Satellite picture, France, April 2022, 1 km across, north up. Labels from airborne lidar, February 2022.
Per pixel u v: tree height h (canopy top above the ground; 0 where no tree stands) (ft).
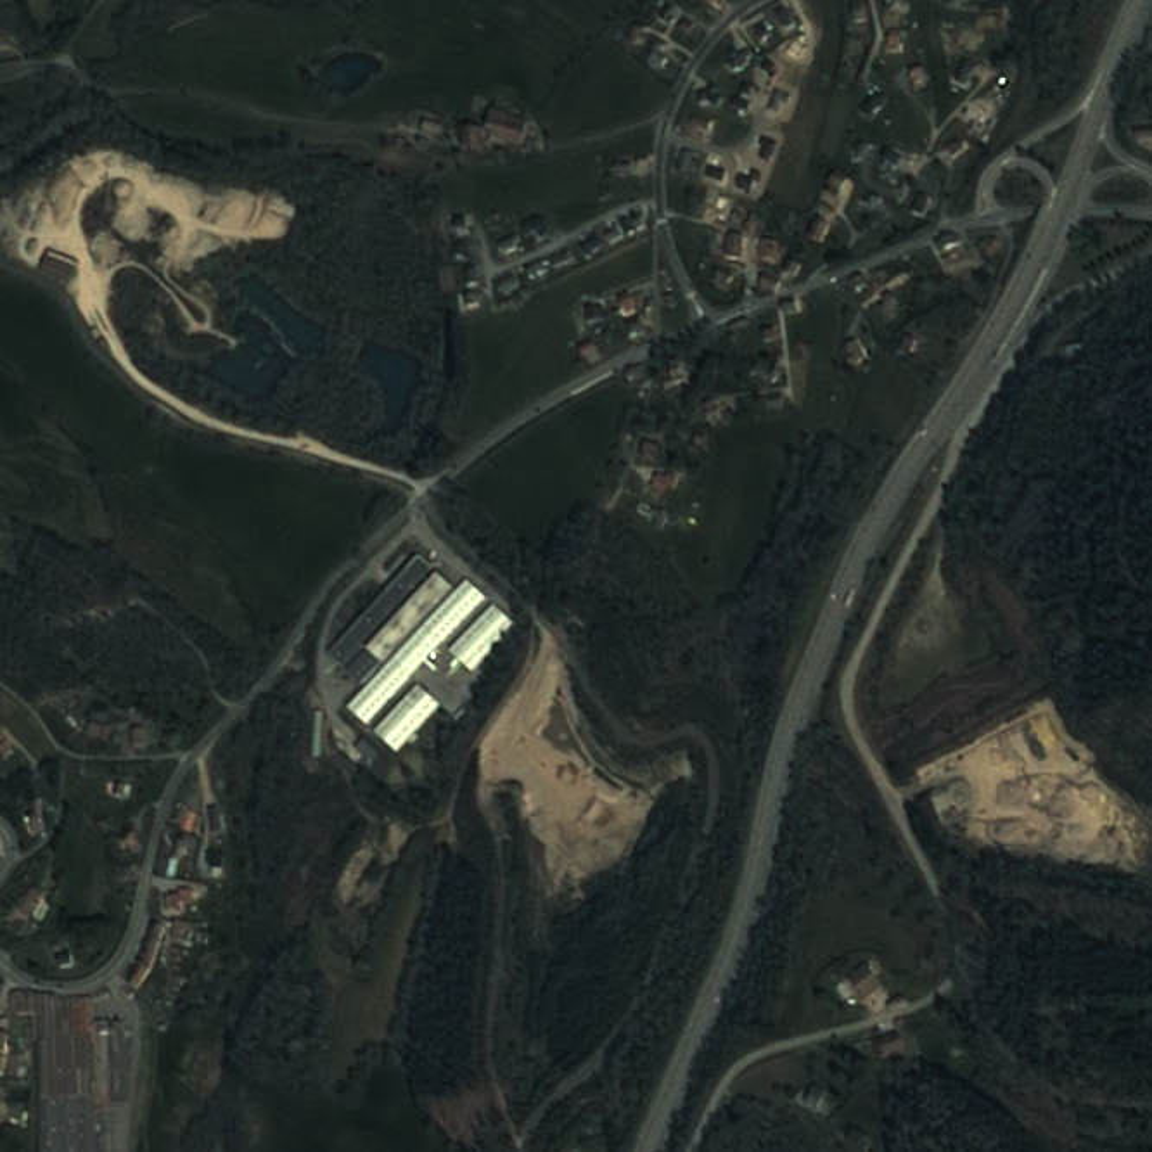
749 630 102
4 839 0
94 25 0
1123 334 28
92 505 0
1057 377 44
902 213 54
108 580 44
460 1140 0
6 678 31
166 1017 0
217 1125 45
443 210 45
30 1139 0
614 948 25
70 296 0
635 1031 39
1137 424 89
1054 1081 53
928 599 0
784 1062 0
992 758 0
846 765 82
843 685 0
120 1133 0
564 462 0
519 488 0
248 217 0
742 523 0
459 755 66
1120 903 73
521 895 22
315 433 26
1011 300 0
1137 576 59
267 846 68
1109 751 75
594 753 0
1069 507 69
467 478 0
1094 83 0
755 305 0
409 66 0
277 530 0
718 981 0
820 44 0
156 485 0
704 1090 36
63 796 0
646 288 0
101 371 19
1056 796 0
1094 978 59
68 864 0
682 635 60
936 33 0
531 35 0
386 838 0
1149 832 0
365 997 0
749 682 96
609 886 31
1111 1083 44
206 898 0
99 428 0
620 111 0
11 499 0
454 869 81
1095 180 0
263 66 0
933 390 28
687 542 0
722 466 0
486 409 0
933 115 0
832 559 35
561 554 60
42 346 0
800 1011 0
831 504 88
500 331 0
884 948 0
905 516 0
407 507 0
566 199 0
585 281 0
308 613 0
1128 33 0
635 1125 37
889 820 73
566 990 30
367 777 26
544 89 0
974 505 38
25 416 0
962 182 0
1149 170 0
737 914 0
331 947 0
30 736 0
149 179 0
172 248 0
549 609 51
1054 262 0
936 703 0
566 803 0
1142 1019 20
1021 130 0
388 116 0
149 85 0
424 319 22
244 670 53
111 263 0
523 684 0
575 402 0
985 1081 29
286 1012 67
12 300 0
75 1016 0
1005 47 0
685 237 0
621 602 23
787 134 0
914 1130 82
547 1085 20
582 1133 0
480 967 67
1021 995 63
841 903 0
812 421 0
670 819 26
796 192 0
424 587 0
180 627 47
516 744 0
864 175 0
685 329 0
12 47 0
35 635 45
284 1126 0
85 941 25
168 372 41
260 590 0
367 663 0
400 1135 0
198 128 0
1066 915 72
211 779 0
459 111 0
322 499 0
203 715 44
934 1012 0
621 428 19
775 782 0
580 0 0
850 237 0
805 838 48
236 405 39
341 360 28
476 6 0
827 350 0
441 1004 79
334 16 0
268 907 73
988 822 0
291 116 0
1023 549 60
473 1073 57
